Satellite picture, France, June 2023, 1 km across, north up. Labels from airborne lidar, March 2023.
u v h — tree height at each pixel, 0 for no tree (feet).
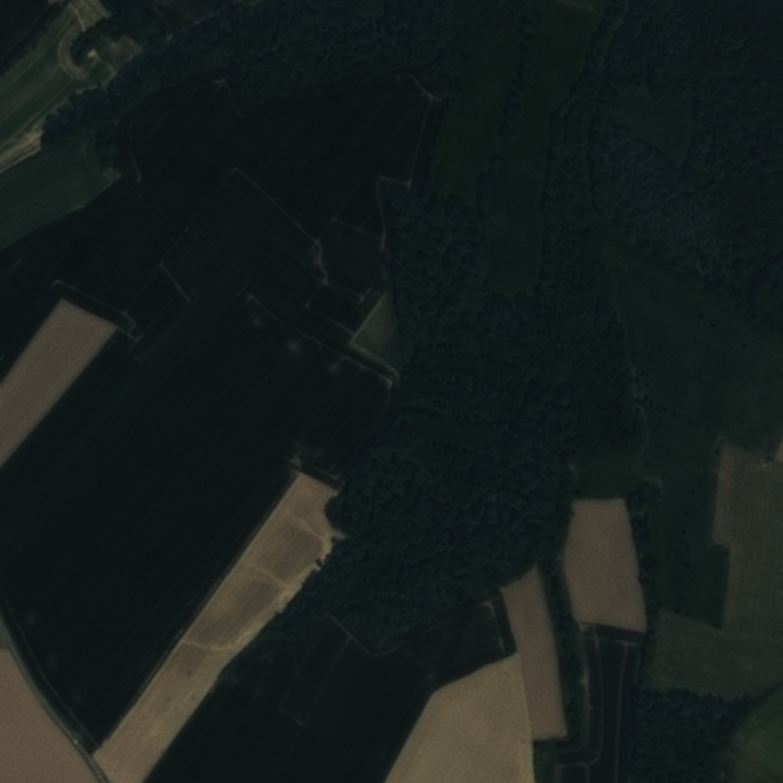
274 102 0
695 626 0
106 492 0
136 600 0
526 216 0
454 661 0
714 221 69
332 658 0
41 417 0
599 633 0
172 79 69
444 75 88
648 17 82
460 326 77
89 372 0
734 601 0
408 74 0
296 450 0
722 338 0
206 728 0
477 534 108
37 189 0
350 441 0
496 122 0
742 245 77
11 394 0
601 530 0
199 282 0
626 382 76
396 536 95
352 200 0
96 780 0
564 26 0
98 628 0
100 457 0
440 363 56
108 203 0
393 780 0
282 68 80
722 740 52
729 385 0
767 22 98
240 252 0
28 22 0
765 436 0
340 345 0
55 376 0
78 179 0
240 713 0
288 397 0
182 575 0
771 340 0
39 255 0
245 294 0
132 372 0
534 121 0
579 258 60
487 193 77
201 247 0
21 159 0
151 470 0
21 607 0
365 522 75
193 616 0
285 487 0
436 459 61
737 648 0
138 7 79
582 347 45
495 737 0
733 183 82
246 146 0
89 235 0
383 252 0
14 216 0
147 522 0
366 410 0
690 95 0
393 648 0
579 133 33
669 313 0
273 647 0
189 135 0
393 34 88
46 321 0
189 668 0
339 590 97
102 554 0
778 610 0
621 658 0
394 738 0
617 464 0
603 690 0
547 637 0
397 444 90
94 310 0
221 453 0
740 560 0
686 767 79
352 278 0
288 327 0
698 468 0
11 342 0
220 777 0
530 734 0
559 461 91
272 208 0
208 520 0
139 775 0
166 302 0
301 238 0
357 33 86
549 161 25
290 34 93
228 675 0
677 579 0
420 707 0
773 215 72
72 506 0
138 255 0
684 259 70
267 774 0
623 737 0
